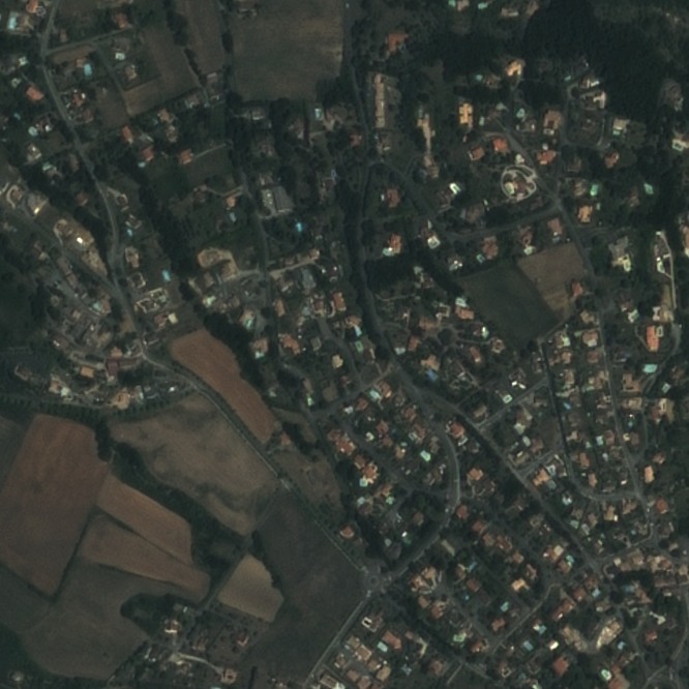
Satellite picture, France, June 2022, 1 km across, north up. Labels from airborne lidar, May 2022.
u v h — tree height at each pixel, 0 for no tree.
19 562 0
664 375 11
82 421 7
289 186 16
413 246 13
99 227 20
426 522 6
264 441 0
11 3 0
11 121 9
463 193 13
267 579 0
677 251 6
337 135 6
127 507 0
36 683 6
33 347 10
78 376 7
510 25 14
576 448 7
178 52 0
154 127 6
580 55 6
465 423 12
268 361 7
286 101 11
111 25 7
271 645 0
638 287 13
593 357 0
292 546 0
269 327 12
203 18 0
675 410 6
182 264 15
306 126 6
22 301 0
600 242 12
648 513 0
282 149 16
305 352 7
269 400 10
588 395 9
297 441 13
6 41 12
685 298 10
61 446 0
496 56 18
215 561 11
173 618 13
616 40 15
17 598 0
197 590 0
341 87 12
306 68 0
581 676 14
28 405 10
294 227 13
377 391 0
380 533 6
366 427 9
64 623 0
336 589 0
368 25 9
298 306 0
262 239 0
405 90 17
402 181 14
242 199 12
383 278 14
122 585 0
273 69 0
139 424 0
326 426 6
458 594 6
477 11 9
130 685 7
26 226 0
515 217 6
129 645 0
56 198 13
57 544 0
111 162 9
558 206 0
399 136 0
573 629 0
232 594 0
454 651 7
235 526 0
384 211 8
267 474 0
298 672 0
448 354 12
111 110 0
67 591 0
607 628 0
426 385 7
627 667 8
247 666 0
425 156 0
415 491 8
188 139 13
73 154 9
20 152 13
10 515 0
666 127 14
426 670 6
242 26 0
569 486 8
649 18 8
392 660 8
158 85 0
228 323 12
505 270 0
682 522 10
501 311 0
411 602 12
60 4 0
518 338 0
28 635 0
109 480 0
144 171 8
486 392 7
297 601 0
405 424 9
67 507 0
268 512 0
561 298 0
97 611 0
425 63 12
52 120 9
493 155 7
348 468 14
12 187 0
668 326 6
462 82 0
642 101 17
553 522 9
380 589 0
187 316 0
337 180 7
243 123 14
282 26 0
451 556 9
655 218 14
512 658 11
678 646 0
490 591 6
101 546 0
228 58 0
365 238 13
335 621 0
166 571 0
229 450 0
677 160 10
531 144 7
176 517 0
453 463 0
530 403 0
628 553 0
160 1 0
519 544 7
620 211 8
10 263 15
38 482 0
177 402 0
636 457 0
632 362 8
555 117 0
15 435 0
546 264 0
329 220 6
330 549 0
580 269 0
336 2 0
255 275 0
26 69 9
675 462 8
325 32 0
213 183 14
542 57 16
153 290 0
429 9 13
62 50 0
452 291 14
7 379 8
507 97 12
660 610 10
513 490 10
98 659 0
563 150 8
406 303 6
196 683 7
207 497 0
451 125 9
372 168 12
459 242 11
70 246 0
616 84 15
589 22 18
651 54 13
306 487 0
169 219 12
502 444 7
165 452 0
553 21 20
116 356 0
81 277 7
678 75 11
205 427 0
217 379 0
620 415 7
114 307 9
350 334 7
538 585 10
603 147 0
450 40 15
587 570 6
